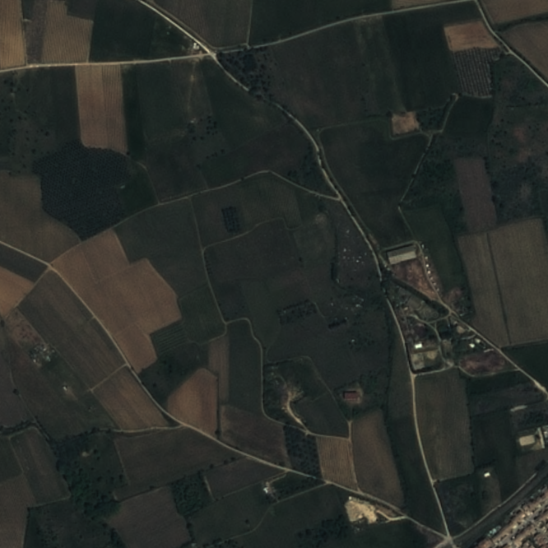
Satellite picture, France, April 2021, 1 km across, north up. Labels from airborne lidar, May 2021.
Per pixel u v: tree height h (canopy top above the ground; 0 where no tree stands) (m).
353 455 0
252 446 0
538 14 0
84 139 0
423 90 0
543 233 0
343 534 8
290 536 0
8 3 0
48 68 0
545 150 0
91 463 0
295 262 0
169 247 0
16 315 0
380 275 6
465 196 0
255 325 0
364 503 0
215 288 0
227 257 0
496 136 6
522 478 0
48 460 0
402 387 0
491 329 0
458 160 0
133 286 0
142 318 0
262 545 0
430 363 0
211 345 0
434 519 0
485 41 0
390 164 0
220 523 0
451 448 0
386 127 0
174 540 0
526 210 0
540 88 0
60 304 0
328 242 0
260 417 0
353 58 0
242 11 0
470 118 0
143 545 0
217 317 0
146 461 0
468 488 0
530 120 0
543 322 0
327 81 0
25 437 0
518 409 0
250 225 0
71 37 0
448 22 0
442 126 7
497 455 0
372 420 0
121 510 8
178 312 0
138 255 0
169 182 0
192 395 0
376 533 0
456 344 8
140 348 0
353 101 0
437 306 8
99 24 0
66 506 0
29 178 0
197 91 0
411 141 0
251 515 0
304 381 0
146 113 0
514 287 0
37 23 0
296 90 0
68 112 0
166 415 0
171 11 0
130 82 0
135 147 0
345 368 0
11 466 0
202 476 7
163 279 0
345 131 0
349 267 0
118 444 0
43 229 0
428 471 0
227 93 0
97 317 0
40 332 0
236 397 0
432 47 0
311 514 0
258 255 0
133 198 0
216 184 0
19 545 0
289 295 0
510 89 0
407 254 0
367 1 0
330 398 0
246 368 0
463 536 0
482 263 0
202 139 6
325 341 0
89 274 0
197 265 0
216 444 0
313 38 0
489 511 0
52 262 0
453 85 0
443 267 0
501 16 0
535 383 0
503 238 0
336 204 0
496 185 10
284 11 0
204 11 0
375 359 0
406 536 0
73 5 0
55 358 0
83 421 0
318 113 0
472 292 0
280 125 0
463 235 0
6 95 0
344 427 0
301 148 0
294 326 0
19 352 0
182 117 0
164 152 0
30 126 0
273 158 0
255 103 0
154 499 0
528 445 0
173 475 0
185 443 0
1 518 0
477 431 0
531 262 0
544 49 0
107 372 0
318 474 7
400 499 0
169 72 0
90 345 0
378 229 0
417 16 0
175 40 0
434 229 0
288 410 0
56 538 8
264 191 0
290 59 0
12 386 0
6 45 0
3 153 0
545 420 9
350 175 0
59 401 0
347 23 0
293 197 0
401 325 0
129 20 0
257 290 0
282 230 0
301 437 6
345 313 0
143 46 0
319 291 0
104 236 0
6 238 0
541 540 0
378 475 0
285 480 0
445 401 0
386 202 0
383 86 0
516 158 0
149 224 0
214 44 0
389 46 0
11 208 0
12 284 0
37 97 0
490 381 0
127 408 0
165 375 0
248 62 8
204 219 0
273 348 0
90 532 0
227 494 0
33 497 0
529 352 0
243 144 0
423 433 0
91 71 0
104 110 0
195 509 6
